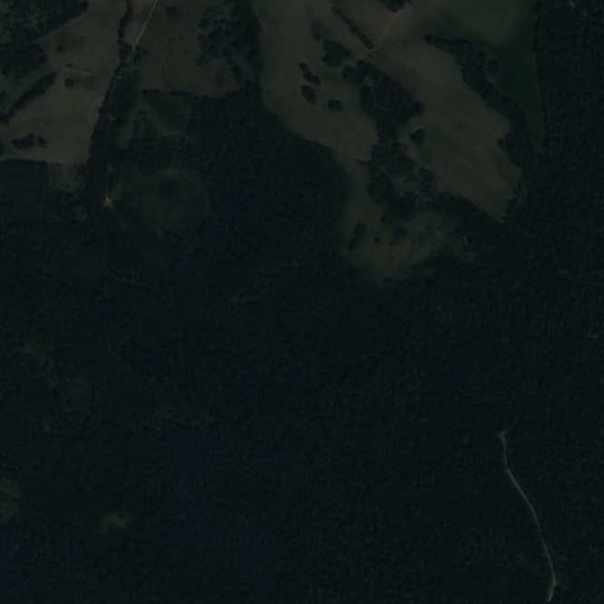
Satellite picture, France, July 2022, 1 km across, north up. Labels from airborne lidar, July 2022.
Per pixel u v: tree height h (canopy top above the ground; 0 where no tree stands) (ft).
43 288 35
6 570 88
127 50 36
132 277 22
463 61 52
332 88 0
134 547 45
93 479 66
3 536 72
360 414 38
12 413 66
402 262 0
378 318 54
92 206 36
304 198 67
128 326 51
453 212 30
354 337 28
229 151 65
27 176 71
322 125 0
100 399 45
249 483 49
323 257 54
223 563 45
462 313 41
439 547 36
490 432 66
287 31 0
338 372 43
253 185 70
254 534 68
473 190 0
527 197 20
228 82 0
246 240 67
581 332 32
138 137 21
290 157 45
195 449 69
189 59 0
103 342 49
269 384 72
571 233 75
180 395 34
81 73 0
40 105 0
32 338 57
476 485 63
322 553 58
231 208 60
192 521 78
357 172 0
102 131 42
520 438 33
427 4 0
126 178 0
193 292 64
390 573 65
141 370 49
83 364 47
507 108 55
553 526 54
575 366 33
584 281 66
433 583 28
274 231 60
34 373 49
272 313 51
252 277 27
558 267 66
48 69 0
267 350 51
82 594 35
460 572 31
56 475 40
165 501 48
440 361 51
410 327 37
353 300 54
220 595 45
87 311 59
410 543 30
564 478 52
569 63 75
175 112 0
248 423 41
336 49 47
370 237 0
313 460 52
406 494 34
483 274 51
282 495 40
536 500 55
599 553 52
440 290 59
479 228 26
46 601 40
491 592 48
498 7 0
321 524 44
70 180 0
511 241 41
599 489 51
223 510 49
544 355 41
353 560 43
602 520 52
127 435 49
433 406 60
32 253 60
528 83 0
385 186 20
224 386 69
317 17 0
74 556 68
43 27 33
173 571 54
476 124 0
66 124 0
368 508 52
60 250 46
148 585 46
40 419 66
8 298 54
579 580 54
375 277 0
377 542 58
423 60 0
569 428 58
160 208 0
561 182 73
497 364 60
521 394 51
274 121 46
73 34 0
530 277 50
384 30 0
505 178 0
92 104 0
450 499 61
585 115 66
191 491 54
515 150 52
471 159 0
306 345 57
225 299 65
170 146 28
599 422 29
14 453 65
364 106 34
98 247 62
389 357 70
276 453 68
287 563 52
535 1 0
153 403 47
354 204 0
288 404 49
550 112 42
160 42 0
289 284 41
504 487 47
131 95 18
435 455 46
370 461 68
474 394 53
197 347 61
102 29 0
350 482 58
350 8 0
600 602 67
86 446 66
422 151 0
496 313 46
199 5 0
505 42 0
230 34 50
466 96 0
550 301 49
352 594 50
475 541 53
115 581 19
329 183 32
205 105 34
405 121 41
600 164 35
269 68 0
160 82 0
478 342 49
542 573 52
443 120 0
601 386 65
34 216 55
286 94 0
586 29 65
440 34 0
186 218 0
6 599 83
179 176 0
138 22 0
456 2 0
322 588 52
